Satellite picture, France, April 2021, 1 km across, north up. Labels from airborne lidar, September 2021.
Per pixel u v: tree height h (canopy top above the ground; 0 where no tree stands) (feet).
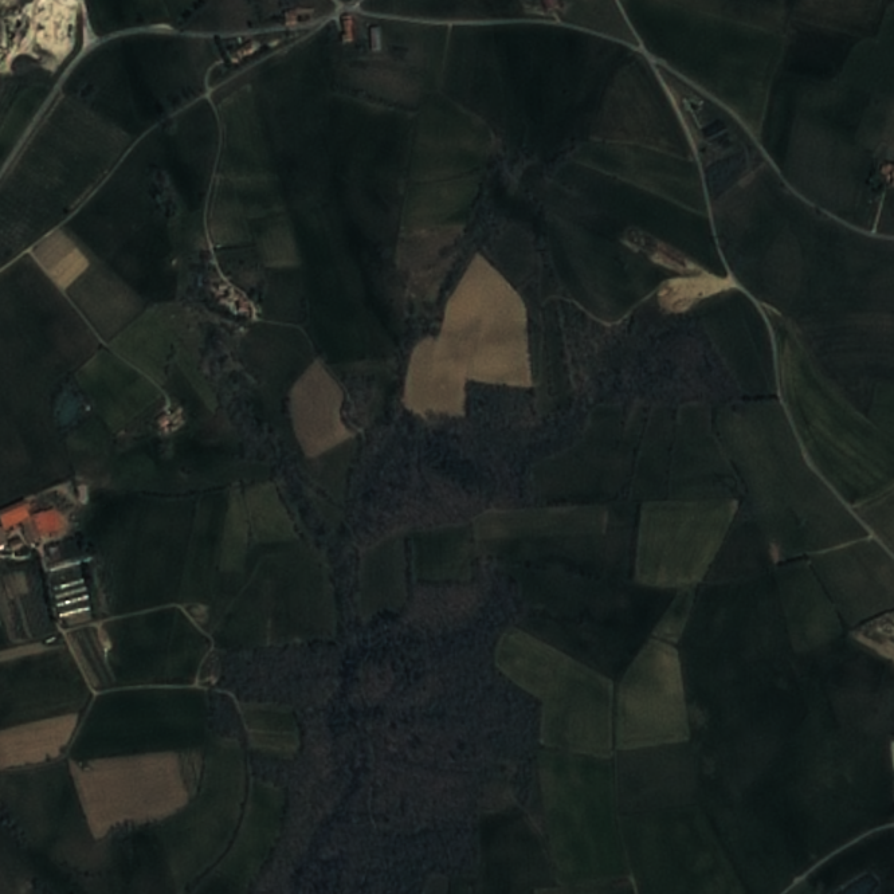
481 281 0
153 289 0
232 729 37
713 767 0
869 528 0
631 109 0
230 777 0
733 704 0
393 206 0
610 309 0
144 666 0
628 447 0
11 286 0
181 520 0
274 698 26
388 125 0
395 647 48
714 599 0
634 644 0
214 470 0
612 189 0
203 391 0
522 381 0
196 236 0
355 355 0
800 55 0
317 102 0
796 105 0
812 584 0
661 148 0
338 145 0
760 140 0
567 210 0
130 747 0
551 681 0
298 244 0
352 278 0
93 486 0
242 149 0
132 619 0
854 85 0
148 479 0
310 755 39
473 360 0
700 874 0
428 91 0
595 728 0
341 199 0
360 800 23
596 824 0
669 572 0
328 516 0
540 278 0
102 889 0
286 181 0
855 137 0
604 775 0
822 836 0
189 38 0
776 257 0
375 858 31
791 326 0
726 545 0
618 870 0
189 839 0
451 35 0
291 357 0
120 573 0
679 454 0
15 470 0
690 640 0
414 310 52
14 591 0
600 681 0
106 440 0
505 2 0
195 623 0
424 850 25
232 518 0
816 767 0
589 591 0
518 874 0
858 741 0
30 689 0
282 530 0
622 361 44
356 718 58
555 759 0
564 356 28
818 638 0
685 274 0
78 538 26
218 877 0
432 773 31
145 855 0
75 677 0
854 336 0
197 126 0
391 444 46
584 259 0
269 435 51
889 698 0
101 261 0
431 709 24
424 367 0
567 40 0
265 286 27
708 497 0
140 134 0
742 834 0
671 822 0
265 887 38
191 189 0
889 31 0
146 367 0
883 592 0
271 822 0
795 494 0
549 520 0
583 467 0
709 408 0
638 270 0
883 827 0
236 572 0
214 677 0
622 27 0
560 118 0
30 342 0
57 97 0
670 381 41
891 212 0
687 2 0
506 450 62
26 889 0
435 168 0
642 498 0
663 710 0
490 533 0
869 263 0
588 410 32
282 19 32
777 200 0
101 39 0
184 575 0
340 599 47
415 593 39
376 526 37
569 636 0
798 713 0
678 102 0
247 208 0
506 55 0
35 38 0
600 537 0
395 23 0
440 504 41
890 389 0
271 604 0
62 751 21
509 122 0
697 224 0
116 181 0
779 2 0
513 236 0
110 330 0
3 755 0
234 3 0
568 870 0
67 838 0
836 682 0
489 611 47
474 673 26
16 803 0
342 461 0
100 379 0
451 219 0
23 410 0
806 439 0
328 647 36
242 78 0
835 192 0
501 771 0
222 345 50
